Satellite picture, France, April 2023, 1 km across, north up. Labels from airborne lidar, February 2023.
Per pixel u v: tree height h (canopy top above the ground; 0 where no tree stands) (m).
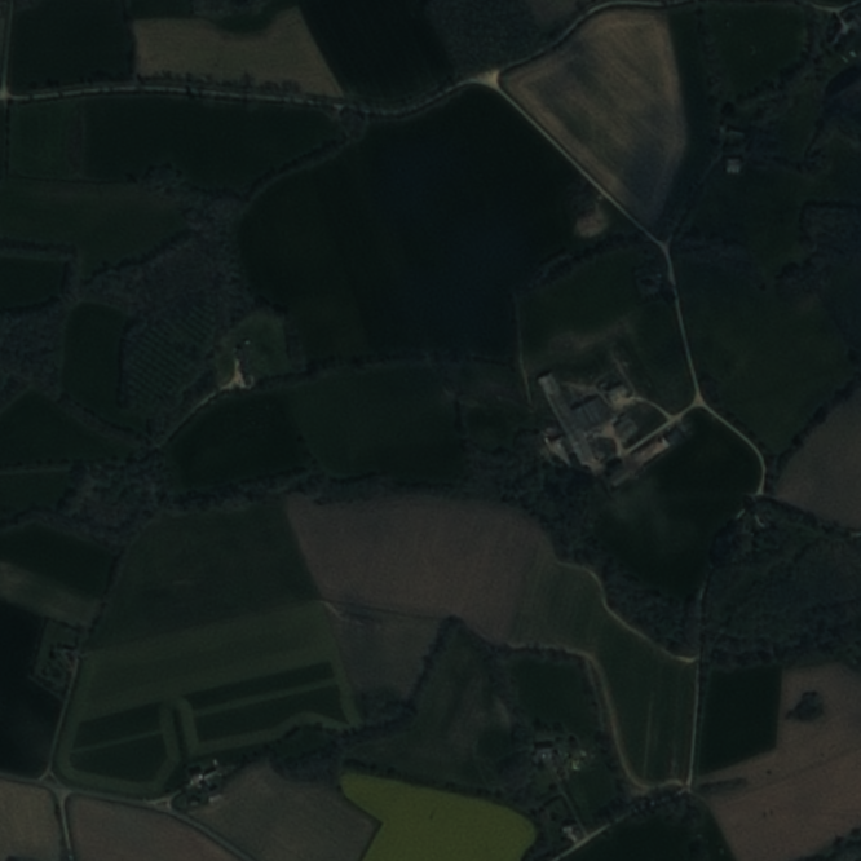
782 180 0
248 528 0
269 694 0
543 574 0
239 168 0
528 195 0
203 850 0
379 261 0
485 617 0
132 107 0
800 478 0
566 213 0
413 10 0
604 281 0
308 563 0
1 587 0
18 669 0
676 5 13
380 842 0
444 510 0
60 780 0
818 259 14
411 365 12
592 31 0
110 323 0
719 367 0
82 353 0
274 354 0
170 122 0
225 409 0
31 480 0
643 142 0
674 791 0
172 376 25
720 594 12
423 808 0
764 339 0
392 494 9
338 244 0
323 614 0
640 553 0
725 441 0
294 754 0
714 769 0
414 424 0
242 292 15
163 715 0
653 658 0
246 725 0
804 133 0
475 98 0
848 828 0
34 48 0
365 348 0
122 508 6
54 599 0
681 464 0
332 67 0
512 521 0
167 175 8
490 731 0
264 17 0
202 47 0
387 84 0
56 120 0
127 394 10
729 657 10
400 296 0
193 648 0
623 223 0
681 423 0
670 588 0
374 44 0
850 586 8
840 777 0
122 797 0
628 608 8
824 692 0
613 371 0
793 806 0
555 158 0
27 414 0
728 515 0
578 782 0
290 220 0
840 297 0
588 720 0
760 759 0
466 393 0
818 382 0
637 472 0
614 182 0
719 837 0
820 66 12
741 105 11
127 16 7
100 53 0
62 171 0
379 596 0
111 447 0
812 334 0
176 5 0
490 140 0
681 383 0
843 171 0
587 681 8
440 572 0
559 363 0
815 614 9
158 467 12
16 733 0
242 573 0
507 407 0
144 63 0
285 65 0
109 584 8
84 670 0
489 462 9
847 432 0
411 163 0
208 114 0
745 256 9
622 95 0
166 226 0
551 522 12
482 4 19
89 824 0
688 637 17
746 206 0
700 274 0
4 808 0
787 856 0
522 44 16
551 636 0
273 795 0
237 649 0
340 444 0
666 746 0
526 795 15
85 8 0
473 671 0
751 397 0
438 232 0
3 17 0
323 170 0
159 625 0
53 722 0
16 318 13
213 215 13
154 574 0
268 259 0
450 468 0
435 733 0
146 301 12
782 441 0
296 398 0
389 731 15
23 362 18
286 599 0
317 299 0
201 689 0
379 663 0
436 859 0
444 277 0
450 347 0
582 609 0
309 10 0
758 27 0
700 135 0
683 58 0
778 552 14
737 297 0
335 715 0
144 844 0
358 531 0
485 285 0
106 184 0
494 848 0
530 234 0
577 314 0
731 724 0
